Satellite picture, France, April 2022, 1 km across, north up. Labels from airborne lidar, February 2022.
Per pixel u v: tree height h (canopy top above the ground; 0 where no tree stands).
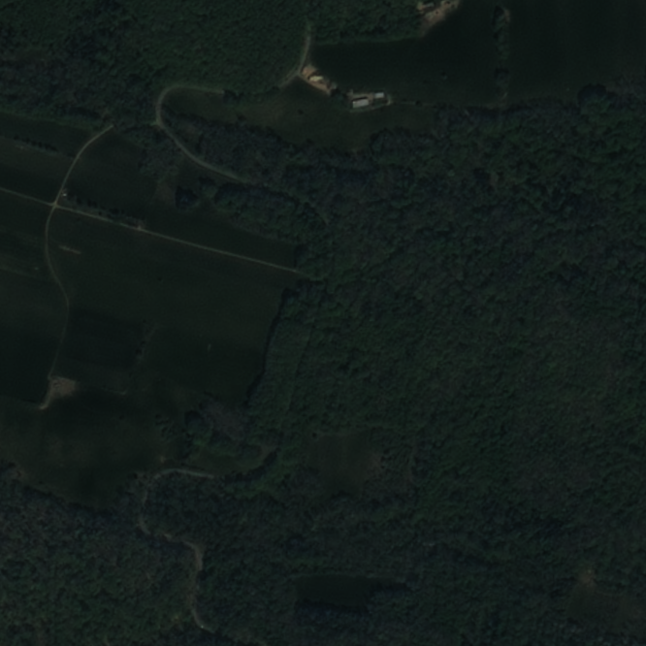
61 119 17
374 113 0
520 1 0
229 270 0
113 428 0
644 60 0
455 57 0
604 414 24
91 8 17
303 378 28
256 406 22
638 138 28
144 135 24
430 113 0
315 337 25
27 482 0
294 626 28
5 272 0
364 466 0
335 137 0
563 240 26
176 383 0
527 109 21
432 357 23
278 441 24
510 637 27
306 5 27
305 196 24
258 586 32
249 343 0
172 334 0
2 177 0
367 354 24
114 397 0
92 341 0
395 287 27
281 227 20
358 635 24
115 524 33
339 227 27
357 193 26
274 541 24
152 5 28
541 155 24
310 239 16
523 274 25
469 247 27
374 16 25
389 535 11
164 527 22
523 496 22
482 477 28
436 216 31
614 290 30
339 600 0
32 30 14
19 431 0
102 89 15
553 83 0
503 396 22
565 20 0
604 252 13
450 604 24
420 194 29
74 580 21
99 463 0
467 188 23
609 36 0
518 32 0
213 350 0
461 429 27
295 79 0
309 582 0
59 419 0
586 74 0
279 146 25
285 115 0
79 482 0
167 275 0
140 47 10
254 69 25
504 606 26
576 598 0
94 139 0
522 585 6
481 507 26
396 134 13
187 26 28
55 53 20
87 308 0
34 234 0
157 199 0
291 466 21
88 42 17
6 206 0
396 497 9
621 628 0
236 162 24
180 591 31
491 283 30
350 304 23
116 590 28
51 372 0
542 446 23
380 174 32
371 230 28
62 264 0
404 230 25
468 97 0
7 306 0
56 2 14
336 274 28
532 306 27
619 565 28
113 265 0
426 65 0
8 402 0
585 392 27
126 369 0
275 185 20
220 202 17
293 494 23
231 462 0
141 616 30
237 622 28
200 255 0
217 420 19
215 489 12
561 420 24
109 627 32
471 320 26
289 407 26
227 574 21
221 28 28
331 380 31
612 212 24
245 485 20
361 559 12
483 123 25
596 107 31
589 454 21
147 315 0
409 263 27
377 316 26
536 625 24
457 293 22
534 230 26
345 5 29
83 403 0
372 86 0
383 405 23
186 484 7
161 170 14
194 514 42
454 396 24
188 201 18
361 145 0
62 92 27
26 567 32
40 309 0
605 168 30
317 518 22
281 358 24
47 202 0
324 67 0
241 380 0
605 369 26
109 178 0
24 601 28
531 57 0
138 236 0
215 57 25
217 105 0
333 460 0
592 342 26
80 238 0
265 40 27
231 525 43
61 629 28
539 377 26
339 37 18
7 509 32
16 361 0
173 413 0
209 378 0
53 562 30
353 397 29
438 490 18
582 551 23
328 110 0
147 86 18
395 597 20
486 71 0
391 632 32
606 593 0
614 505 23
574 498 26
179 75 27
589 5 0
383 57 0
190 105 0
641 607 0
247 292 0
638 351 23
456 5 0
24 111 17
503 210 28
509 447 22
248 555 28
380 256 28
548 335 21
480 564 26
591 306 22
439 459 24
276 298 0
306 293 25
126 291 0
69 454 0
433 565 24
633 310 23
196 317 0
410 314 24
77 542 30
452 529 26
